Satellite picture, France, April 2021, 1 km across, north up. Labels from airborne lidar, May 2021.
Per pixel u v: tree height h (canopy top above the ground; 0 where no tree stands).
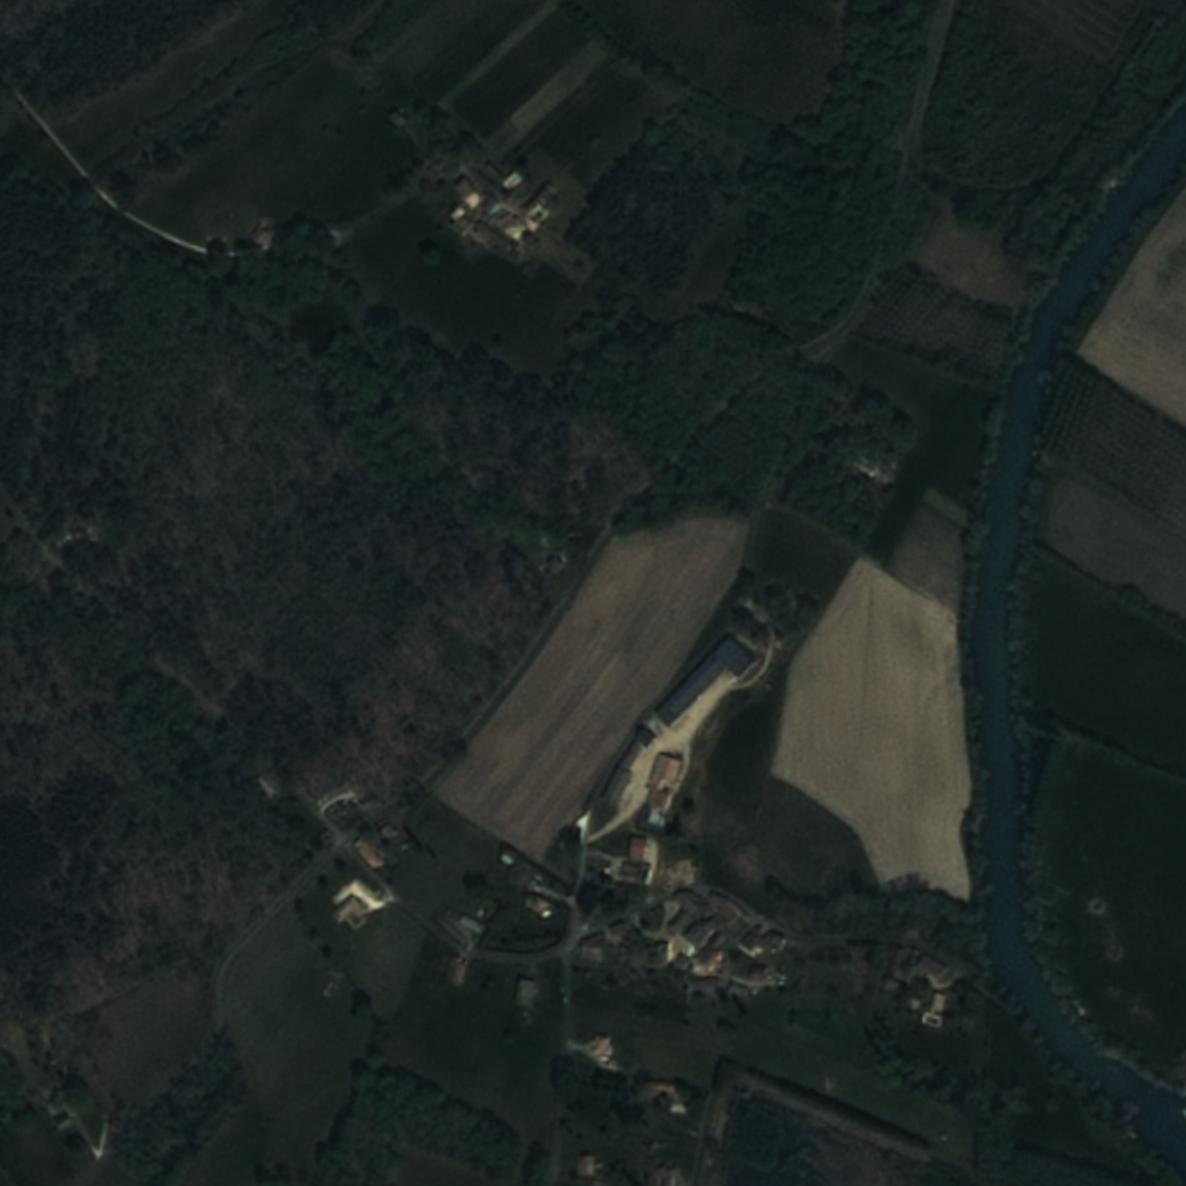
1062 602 0
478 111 0
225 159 0
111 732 19
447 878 0
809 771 0
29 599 23
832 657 0
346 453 10
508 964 0
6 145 0
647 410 23
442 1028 0
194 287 23
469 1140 15
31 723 7
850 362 0
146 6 16
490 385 25
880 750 0
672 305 0
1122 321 0
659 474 20
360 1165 15
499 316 0
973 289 0
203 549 13
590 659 0
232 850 13
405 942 0
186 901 17
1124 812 0
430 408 15
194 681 10
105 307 21
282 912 0
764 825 0
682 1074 0
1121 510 0
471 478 28
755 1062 0
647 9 0
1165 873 0
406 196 14
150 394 14
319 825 0
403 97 0
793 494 16
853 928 20
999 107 6
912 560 0
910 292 16
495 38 0
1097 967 0
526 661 12
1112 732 0
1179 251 0
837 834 0
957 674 0
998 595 0
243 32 0
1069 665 0
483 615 17
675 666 0
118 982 15
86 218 19
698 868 6
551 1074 0
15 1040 0
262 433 11
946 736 0
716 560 0
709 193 13
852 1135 0
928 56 20
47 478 19
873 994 9
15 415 16
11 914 7
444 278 0
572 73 0
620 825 0
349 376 17
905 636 0
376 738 21
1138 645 0
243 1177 0
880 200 23
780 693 0
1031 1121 0
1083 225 12
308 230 16
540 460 15
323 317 0
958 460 0
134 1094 0
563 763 0
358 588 13
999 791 0
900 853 0
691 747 0
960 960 15
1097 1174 16
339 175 0
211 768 34
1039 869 0
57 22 17
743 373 21
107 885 14
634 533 16
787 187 18
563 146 0
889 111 26
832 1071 0
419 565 12
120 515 16
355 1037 0
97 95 13
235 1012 0
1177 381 0
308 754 24
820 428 15
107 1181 0
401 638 12
